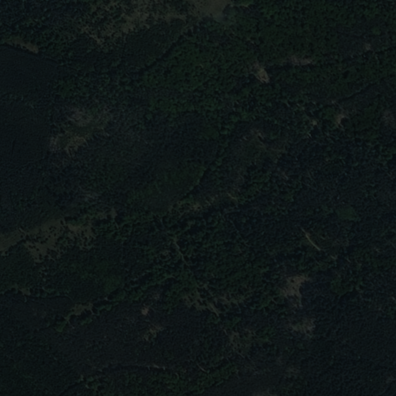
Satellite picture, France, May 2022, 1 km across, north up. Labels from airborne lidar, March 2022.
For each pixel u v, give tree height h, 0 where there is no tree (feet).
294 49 90
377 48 74
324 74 85
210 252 94
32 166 50
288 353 83
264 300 100
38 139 47
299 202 102
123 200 88
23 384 54
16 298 47
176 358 79
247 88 101
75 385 43
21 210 54
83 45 33
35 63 64
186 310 91
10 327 64
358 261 94
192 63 85
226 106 100
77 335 87
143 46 29
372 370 67
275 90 95
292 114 98
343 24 84
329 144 105
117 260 49
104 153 65
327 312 110
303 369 88
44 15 71
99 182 73
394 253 99
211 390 69
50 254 23
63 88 71
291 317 93
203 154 103
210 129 72
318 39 84
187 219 23
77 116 89
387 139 87
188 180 67
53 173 65
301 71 88
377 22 79
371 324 74
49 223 0
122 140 79
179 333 89
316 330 71
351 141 19
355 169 94
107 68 58
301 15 77
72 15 82
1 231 59
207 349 64
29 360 66
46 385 73
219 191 97
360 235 85
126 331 69
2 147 57
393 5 77
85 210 82
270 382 76
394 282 95
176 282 80
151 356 82
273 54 97
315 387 79
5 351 67
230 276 92
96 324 89
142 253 38
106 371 77
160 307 83
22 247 43
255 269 98
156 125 90
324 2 70
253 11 76
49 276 50
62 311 46
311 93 76
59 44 43
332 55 80
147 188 63
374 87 85
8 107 38
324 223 101
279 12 72
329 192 91
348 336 97
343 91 84
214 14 0
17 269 43
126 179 80
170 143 98
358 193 90
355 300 89
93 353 81
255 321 83
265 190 94
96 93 66
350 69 67
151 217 74
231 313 21
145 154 70
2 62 54
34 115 40
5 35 52
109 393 73
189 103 88
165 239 86
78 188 75
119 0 22
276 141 108
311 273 86
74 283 41
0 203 62
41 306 66
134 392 82
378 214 101
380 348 85
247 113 73
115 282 40
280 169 109
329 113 100
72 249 32
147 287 97
